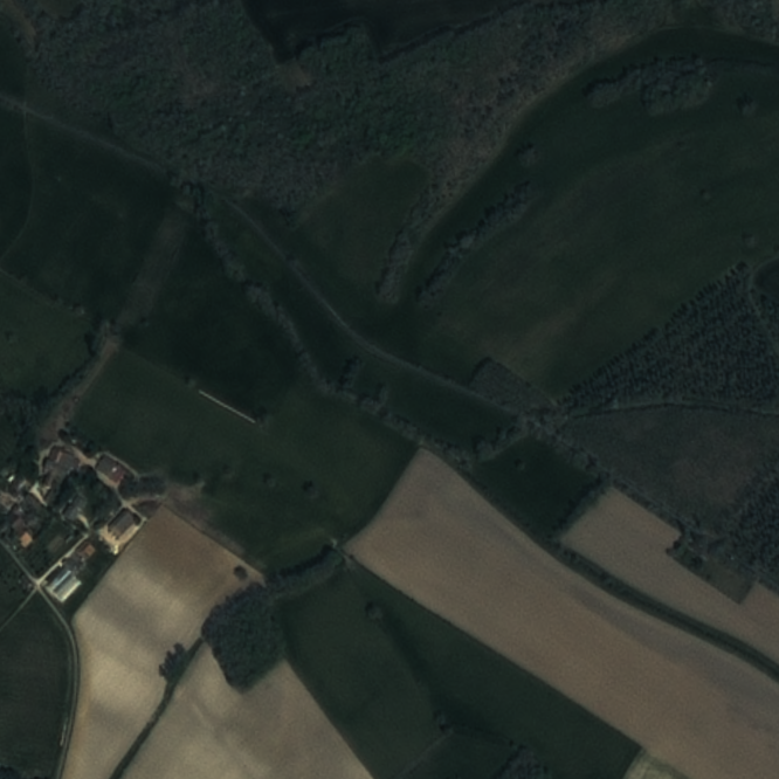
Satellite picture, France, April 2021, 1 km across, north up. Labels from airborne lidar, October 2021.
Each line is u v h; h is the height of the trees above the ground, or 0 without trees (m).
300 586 22
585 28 13
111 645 0
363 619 0
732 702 0
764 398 13
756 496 19
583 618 0
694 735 0
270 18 0
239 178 19
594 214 0
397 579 0
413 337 0
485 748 0
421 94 11
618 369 14
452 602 0
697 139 0
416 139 18
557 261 0
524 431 12
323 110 19
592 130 0
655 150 0
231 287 0
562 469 0
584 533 0
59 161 0
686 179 0
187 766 0
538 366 0
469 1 0
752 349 18
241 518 0
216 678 0
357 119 11
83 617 0
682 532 8
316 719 0
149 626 0
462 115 13
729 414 12
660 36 0
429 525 0
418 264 0
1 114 0
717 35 0
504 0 0
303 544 0
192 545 0
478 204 0
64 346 0
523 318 0
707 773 0
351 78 20
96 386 0
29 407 26
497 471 0
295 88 0
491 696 0
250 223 0
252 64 9
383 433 0
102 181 0
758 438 18
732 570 16
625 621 0
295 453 0
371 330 0
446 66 19
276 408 0
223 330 0
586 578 0
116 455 0
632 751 0
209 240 14
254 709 0
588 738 0
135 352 0
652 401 14
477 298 0
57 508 11
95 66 17
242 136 13
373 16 0
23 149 0
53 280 0
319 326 0
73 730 0
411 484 0
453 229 0
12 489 0
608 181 0
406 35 0
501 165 0
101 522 9
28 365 0
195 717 0
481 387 11
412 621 0
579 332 0
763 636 0
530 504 0
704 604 0
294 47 0
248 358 0
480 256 0
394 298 16
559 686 0
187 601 0
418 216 9
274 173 13
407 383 0
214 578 0
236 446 0
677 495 18
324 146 11
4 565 0
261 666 24
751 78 0
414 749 0
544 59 10
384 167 0
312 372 16
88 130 0
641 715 0
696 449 20
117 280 0
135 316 0
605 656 0
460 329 0
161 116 15
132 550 0
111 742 0
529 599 0
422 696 0
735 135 0
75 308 10
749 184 0
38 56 10
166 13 8
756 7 14
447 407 0
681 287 0
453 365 0
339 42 15
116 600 0
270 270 0
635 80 15
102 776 0
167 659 0
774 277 0
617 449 19
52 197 0
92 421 0
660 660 0
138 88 18
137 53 17
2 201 0
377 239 0
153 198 0
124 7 16
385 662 0
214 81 12
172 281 0
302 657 0
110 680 0
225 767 0
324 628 0
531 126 0
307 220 0
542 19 16
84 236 0
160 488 18
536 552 0
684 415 17
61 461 0
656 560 0
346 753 0
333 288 0
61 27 14
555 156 0
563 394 0
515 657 0
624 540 0
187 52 12
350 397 13
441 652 0
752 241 11
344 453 0
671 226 0
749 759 0
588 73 0
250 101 10
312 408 0
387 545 0
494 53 15
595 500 20
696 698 0
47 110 0
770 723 0
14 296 0
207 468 0
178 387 0
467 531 0
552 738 0
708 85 14
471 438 0
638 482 19
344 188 0
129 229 0
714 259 0
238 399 0
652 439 18
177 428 0
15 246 0
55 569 0
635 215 0
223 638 21
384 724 0
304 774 0
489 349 0
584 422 18
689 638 0
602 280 0
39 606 5
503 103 16
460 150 12
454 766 0
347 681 0
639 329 0
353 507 0
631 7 18
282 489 0
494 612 0
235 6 18
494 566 0
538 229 0
